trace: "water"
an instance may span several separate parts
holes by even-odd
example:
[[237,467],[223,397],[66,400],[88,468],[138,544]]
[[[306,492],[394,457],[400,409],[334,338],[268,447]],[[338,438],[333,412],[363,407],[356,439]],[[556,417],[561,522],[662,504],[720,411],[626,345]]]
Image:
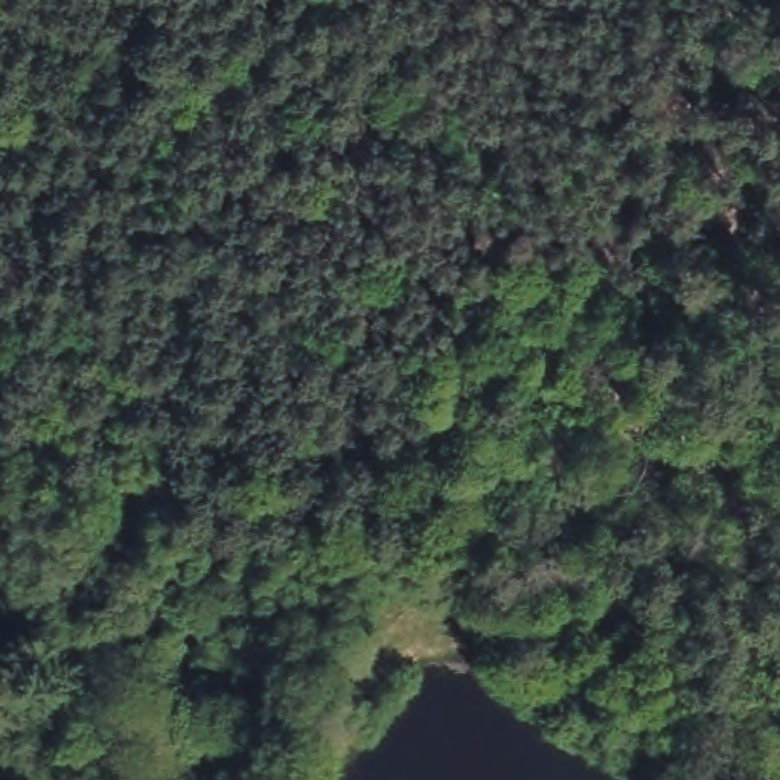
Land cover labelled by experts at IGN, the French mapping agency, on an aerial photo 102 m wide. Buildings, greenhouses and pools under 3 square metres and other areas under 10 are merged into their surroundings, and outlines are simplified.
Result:
[[603,768],[561,750],[551,740],[545,740],[545,734],[533,722],[527,722],[518,719],[515,710],[509,710],[506,704],[494,701],[475,676],[454,673],[439,661],[430,661],[420,676],[417,695],[387,725],[384,737],[372,750],[353,753],[347,759],[341,780],[631,780],[628,768],[606,774]]

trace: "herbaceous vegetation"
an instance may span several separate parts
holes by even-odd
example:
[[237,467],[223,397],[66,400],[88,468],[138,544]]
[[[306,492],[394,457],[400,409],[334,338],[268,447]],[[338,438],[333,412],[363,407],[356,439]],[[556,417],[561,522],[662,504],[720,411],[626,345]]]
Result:
[[460,622],[451,622],[451,609],[442,606],[399,606],[393,643],[378,652],[372,676],[360,679],[353,689],[353,704],[378,704],[381,695],[390,689],[393,673],[402,670],[408,658],[430,661],[439,661],[454,673],[475,676],[478,667],[478,634],[460,628]]
[[119,686],[116,704],[107,707],[104,716],[91,719],[88,725],[73,722],[67,728],[64,746],[52,756],[61,768],[79,768],[82,774],[76,780],[161,780],[155,774],[152,743],[168,740],[171,701],[174,692],[180,692],[180,661],[161,655],[155,643],[134,646],[134,655],[143,661],[143,667],[134,670],[134,679]]

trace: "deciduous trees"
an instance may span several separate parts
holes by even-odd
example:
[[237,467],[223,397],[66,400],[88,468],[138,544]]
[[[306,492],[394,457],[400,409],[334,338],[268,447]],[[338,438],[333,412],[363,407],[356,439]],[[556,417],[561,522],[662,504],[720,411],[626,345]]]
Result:
[[609,591],[594,588],[582,600],[558,603],[539,622],[527,619],[527,612],[515,612],[509,619],[509,637],[551,637],[567,622],[597,625],[597,619],[609,609]]
[[152,743],[155,774],[161,780],[186,780],[183,774],[198,759],[225,756],[232,750],[232,725],[241,716],[241,701],[210,698],[189,704],[180,692],[174,692],[171,701],[168,740]]
[[713,643],[710,649],[695,652],[686,664],[676,664],[667,655],[676,637],[689,631],[689,619],[673,619],[673,603],[679,597],[676,585],[655,588],[646,615],[643,649],[631,655],[625,664],[609,658],[612,649],[603,640],[597,652],[579,655],[576,661],[527,655],[512,667],[478,667],[475,676],[494,701],[506,704],[509,710],[515,710],[518,719],[527,722],[536,707],[555,704],[558,698],[573,692],[585,676],[591,676],[597,686],[594,704],[612,710],[612,722],[585,722],[582,716],[570,716],[551,740],[561,750],[603,768],[606,774],[628,768],[634,753],[655,756],[670,750],[664,725],[695,713],[716,713],[710,692],[725,670],[725,664],[719,661],[722,646]]
[[125,445],[125,454],[104,457],[91,448],[91,454],[76,457],[76,472],[70,475],[70,484],[76,488],[79,500],[73,515],[67,518],[67,527],[58,533],[34,533],[37,545],[55,548],[52,561],[43,561],[43,582],[18,606],[24,609],[24,615],[46,622],[40,640],[9,646],[0,655],[0,780],[76,780],[82,774],[79,768],[61,768],[52,756],[64,746],[67,728],[73,722],[88,725],[91,719],[104,716],[107,707],[116,704],[119,686],[134,679],[134,670],[143,667],[143,661],[134,655],[134,646],[155,643],[161,655],[180,661],[183,658],[192,667],[219,670],[225,655],[238,652],[247,643],[244,615],[268,615],[274,606],[289,606],[299,600],[317,603],[320,585],[338,585],[350,576],[356,579],[356,591],[350,591],[347,603],[335,615],[335,631],[341,637],[338,655],[329,658],[329,664],[311,676],[293,676],[283,689],[280,719],[293,728],[293,750],[286,750],[283,743],[262,743],[250,765],[256,780],[341,780],[347,759],[353,753],[372,750],[384,737],[387,725],[417,695],[420,676],[430,661],[408,658],[402,670],[393,673],[390,689],[381,695],[378,704],[353,704],[353,689],[360,679],[372,676],[378,652],[393,643],[399,606],[442,606],[439,582],[463,567],[466,542],[472,539],[472,533],[481,533],[488,527],[488,518],[497,521],[500,515],[521,512],[524,506],[548,509],[551,500],[564,512],[594,509],[600,503],[609,503],[619,494],[619,488],[634,484],[649,460],[664,460],[676,466],[673,481],[683,494],[704,494],[707,500],[719,503],[725,497],[719,481],[713,481],[710,463],[737,466],[740,488],[746,497],[771,500],[780,509],[780,375],[762,372],[762,402],[756,408],[731,411],[731,402],[716,402],[704,381],[698,375],[686,375],[676,360],[655,363],[640,350],[628,350],[619,338],[622,329],[615,323],[585,323],[579,317],[591,289],[600,283],[597,262],[591,262],[582,274],[555,283],[539,274],[506,271],[497,283],[500,311],[481,320],[478,326],[484,344],[439,363],[439,369],[433,372],[436,384],[424,396],[420,420],[433,433],[448,430],[454,424],[457,396],[472,393],[497,375],[506,375],[512,390],[503,393],[503,414],[491,414],[484,424],[488,442],[481,442],[472,454],[463,457],[463,475],[448,488],[445,512],[424,530],[424,545],[411,567],[396,564],[402,545],[369,539],[363,533],[363,524],[350,524],[347,530],[332,536],[326,533],[323,548],[311,548],[305,530],[283,527],[280,515],[289,509],[305,509],[308,500],[320,491],[317,478],[305,478],[286,494],[280,494],[280,488],[265,488],[253,481],[244,488],[219,488],[219,503],[225,515],[213,521],[210,509],[204,506],[195,518],[189,518],[186,500],[180,497],[183,466],[174,466],[168,448],[161,445],[171,439],[171,424],[119,427],[110,439],[116,445]]

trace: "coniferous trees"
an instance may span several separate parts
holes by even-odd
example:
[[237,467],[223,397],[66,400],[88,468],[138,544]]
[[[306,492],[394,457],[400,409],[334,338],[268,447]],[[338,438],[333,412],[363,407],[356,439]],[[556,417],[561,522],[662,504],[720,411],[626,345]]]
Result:
[[225,655],[219,670],[192,667],[183,658],[180,661],[180,692],[189,704],[210,698],[241,701],[241,716],[232,725],[232,750],[225,756],[198,759],[183,774],[186,780],[256,780],[250,765],[262,743],[283,743],[286,750],[293,750],[293,728],[280,719],[283,689],[293,676],[311,676],[329,664],[329,658],[338,655],[341,637],[335,631],[335,615],[347,603],[350,591],[356,591],[356,579],[350,576],[338,585],[320,585],[317,603],[299,600],[289,606],[274,606],[268,615],[244,615],[247,643],[238,652]]
[[[442,606],[451,609],[451,622],[460,622],[460,628],[478,634],[478,667],[512,667],[527,655],[576,661],[579,655],[597,652],[603,640],[612,649],[609,658],[625,664],[631,655],[643,649],[646,615],[655,588],[676,585],[679,597],[673,603],[673,619],[689,619],[689,631],[676,637],[667,655],[676,664],[686,664],[695,652],[710,649],[713,643],[722,646],[719,661],[725,664],[725,670],[710,692],[716,713],[695,713],[664,725],[670,750],[655,756],[634,753],[628,768],[631,780],[780,780],[780,509],[771,500],[746,497],[740,488],[737,466],[710,463],[713,481],[719,481],[725,497],[719,503],[707,500],[704,494],[683,494],[673,481],[676,466],[664,460],[649,460],[634,484],[619,488],[619,494],[609,503],[600,503],[594,509],[564,512],[551,500],[548,509],[524,506],[521,512],[500,515],[497,521],[488,518],[488,527],[481,533],[472,533],[472,539],[466,542],[463,567],[439,582]],[[527,612],[527,619],[539,622],[558,603],[582,600],[594,588],[609,591],[609,609],[597,619],[597,625],[567,622],[551,637],[509,637],[509,619],[515,612]]]
[[533,722],[545,734],[545,740],[551,740],[570,716],[582,716],[585,722],[612,722],[612,710],[594,704],[597,686],[591,676],[585,676],[573,692],[558,698],[555,704],[536,707],[527,722]]
[[503,414],[503,393],[512,390],[506,375],[497,375],[472,393],[457,396],[454,424],[448,430],[433,433],[420,420],[424,396],[436,384],[433,372],[439,369],[439,363],[484,344],[478,326],[481,320],[500,311],[497,283],[506,271],[539,274],[555,283],[582,274],[591,262],[597,262],[600,283],[591,289],[579,317],[585,323],[615,323],[622,329],[619,338],[628,350],[640,350],[655,363],[676,360],[686,375],[698,375],[704,381],[716,402],[731,402],[731,411],[756,408],[762,402],[762,372],[780,375],[780,0],[0,0],[0,655],[9,646],[40,640],[46,622],[24,615],[24,609],[18,606],[43,582],[43,561],[52,561],[55,548],[37,545],[34,533],[58,533],[67,527],[67,518],[73,515],[79,500],[76,488],[70,484],[70,475],[76,472],[76,457],[91,454],[91,448],[104,457],[125,454],[125,445],[116,445],[110,439],[119,427],[171,424],[171,439],[161,445],[168,448],[174,466],[183,466],[180,497],[186,500],[189,518],[195,518],[204,506],[210,509],[213,521],[225,515],[219,503],[219,488],[244,488],[253,481],[265,488],[280,488],[280,494],[286,494],[305,478],[317,478],[320,491],[308,500],[305,509],[289,509],[280,515],[283,527],[305,530],[311,548],[323,548],[326,533],[332,536],[347,530],[350,524],[363,524],[363,533],[369,539],[402,545],[396,564],[411,567],[424,545],[424,530],[445,512],[448,488],[463,475],[463,457],[472,454],[481,442],[488,442],[484,424],[491,414]]

